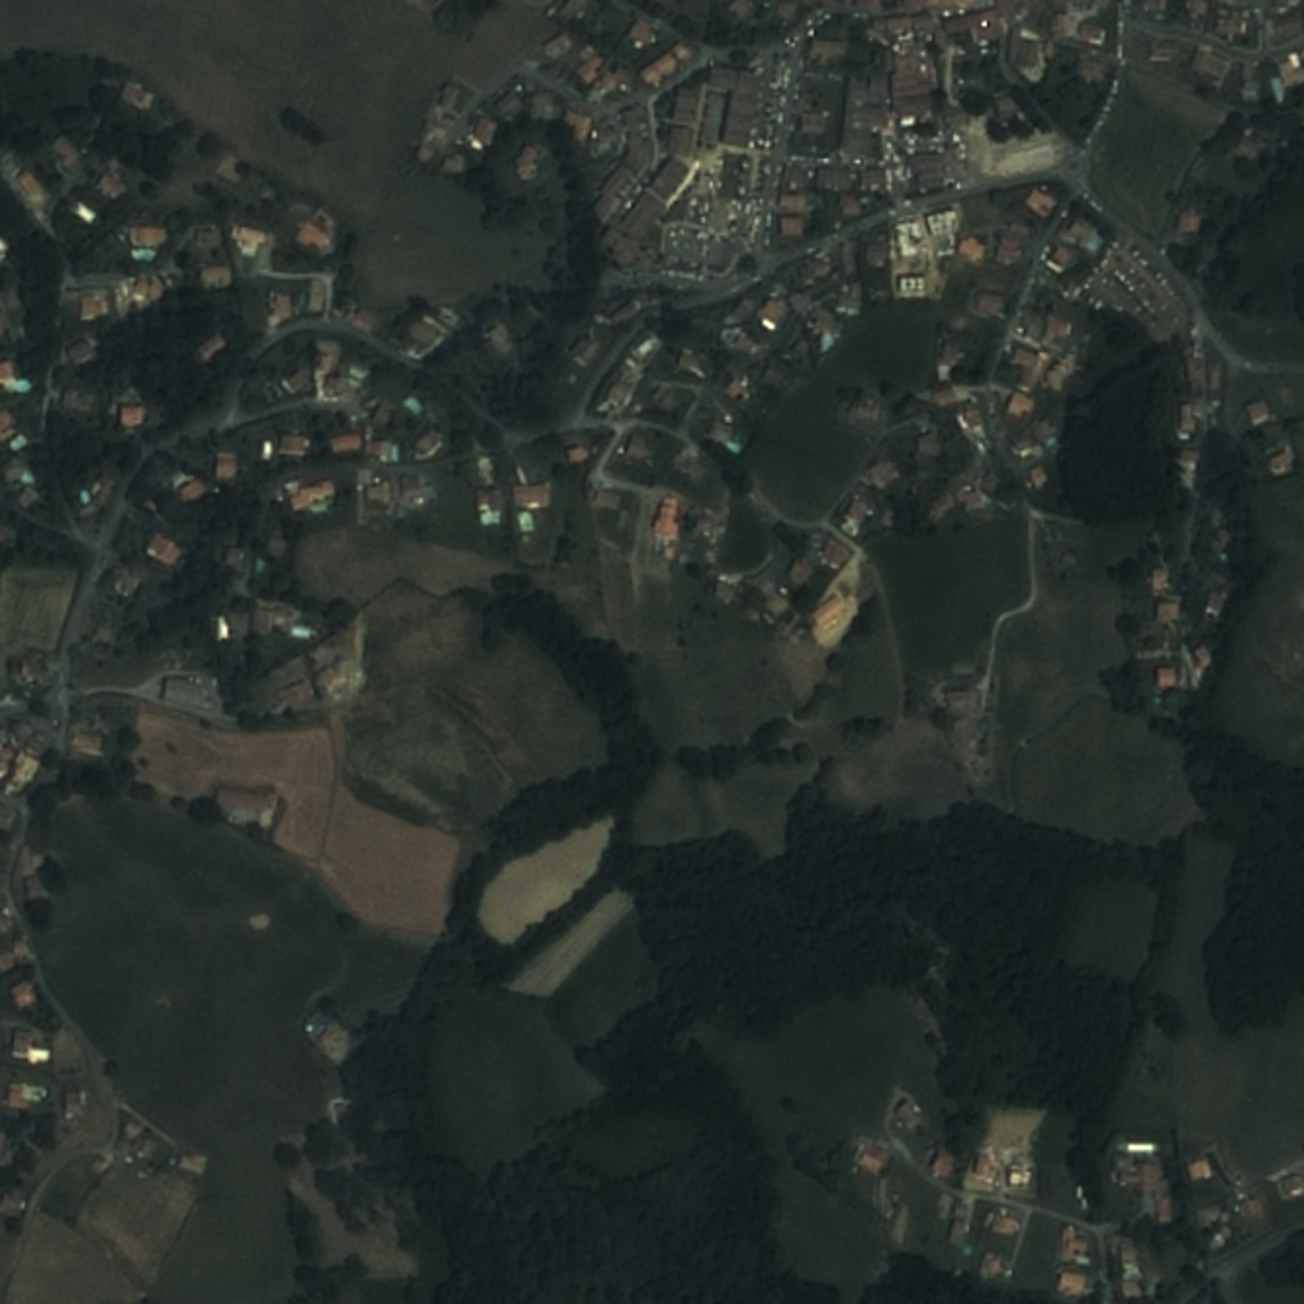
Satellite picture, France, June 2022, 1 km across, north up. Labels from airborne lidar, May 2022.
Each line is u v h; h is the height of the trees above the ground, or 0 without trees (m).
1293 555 0
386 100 0
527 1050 0
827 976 22
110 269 6
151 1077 0
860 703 0
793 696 0
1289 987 16
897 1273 15
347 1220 19
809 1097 0
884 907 27
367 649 0
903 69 0
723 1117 6
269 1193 0
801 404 0
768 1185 13
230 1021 0
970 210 0
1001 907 17
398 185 0
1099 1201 15
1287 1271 16
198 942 0
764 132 0
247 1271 0
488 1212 17
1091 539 0
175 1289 0
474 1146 0
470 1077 0
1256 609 0
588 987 0
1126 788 0
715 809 0
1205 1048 0
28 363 18
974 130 0
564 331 21
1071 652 0
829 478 0
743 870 21
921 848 19
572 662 16
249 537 11
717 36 9
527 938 7
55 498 11
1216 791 18
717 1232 9
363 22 0
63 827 0
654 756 18
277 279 0
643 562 0
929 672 0
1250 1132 0
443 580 0
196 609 17
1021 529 0
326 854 0
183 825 0
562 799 26
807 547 9
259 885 0
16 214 24
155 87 0
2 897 0
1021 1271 0
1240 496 19
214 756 0
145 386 20
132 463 14
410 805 0
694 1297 12
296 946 0
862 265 8
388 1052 26
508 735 0
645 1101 9
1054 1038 21
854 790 0
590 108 0
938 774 0
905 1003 0
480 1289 22
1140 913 0
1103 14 0
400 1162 24
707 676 0
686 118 0
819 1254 0
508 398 18
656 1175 9
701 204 0
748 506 0
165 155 15
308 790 0
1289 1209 0
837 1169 8
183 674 0
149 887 0
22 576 0
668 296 11
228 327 14
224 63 0
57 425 18
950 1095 19
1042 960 21
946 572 0
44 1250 0
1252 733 0
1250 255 0
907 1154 0
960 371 13
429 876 0
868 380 0
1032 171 0
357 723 0
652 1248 14
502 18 0
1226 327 0
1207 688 8
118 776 12
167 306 15
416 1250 15
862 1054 0
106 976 0
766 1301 21
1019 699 0
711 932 20
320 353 7
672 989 14
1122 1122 0
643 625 0
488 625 9
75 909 0
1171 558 13
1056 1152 0
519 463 0
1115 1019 19
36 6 0
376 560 0
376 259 0
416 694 0
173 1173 0
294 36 0
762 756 15
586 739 0
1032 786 0
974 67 11
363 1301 0
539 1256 18
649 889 19
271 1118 0
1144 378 16
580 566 0
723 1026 11
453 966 19
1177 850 22
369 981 0
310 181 0
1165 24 0
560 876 0
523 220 13
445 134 0
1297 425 8
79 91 0
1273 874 24
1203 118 0
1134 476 19
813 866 13
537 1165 19
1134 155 0
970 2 0
